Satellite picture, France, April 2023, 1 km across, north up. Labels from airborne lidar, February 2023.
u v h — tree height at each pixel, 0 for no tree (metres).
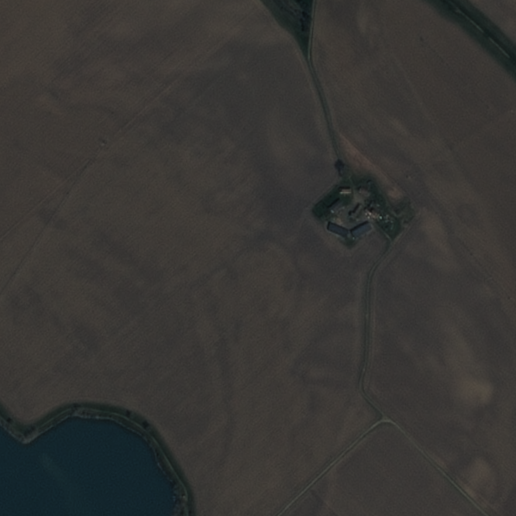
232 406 0
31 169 0
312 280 0
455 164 0
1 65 0
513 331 0
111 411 0
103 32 0
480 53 0
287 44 0
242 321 0
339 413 0
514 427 0
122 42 0
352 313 0
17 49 0
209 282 0
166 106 0
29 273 0
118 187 0
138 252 0
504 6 0
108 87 0
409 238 0
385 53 0
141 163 0
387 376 0
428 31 0
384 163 0
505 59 0
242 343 0
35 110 0
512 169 0
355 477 0
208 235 0
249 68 0
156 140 0
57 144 0
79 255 0
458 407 0
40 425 0
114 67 0
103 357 0
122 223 0
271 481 0
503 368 0
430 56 0
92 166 0
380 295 0
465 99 0
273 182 0
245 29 0
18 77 0
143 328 0
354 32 0
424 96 0
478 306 0
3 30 0
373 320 0
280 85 0
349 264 0
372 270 0
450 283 0
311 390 0
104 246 0
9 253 0
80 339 0
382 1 0
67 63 0
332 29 0
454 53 0
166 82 0
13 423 9
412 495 0
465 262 0
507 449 0
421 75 0
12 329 0
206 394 0
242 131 0
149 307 0
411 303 0
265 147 0
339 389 0
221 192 0
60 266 0
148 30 0
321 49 0
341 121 0
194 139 0
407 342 0
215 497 0
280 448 0
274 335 0
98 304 0
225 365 0
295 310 0
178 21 0
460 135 0
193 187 0
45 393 0
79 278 0
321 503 0
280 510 0
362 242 0
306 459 0
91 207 0
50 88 0
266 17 0
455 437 0
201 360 0
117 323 0
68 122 0
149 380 0
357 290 0
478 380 0
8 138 0
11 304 0
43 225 0
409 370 0
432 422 0
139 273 0
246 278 0
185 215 0
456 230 0
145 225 0
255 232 0
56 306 0
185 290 0
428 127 0
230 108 0
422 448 0
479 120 0
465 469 0
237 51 0
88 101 0
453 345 0
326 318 0
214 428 0
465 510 0
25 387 0
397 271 0
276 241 0
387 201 0
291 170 0
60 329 0
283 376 0
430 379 0
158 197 0
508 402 0
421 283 0
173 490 13
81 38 0
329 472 0
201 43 0
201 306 0
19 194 0
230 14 0
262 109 0
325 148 0
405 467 0
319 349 0
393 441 0
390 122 0
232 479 0
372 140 0
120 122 0
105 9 0
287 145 0
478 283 0
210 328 0
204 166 0
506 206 0
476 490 0
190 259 0
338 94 0
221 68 0
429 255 0
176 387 0
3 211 0
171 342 0
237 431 0
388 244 0
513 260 0
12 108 0
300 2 14
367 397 0
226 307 0
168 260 0
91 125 0
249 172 0
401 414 0
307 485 0
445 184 0
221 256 0
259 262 0
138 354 0
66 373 0
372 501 0
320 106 0
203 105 0
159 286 0
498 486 0
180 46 0
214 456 0
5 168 0
